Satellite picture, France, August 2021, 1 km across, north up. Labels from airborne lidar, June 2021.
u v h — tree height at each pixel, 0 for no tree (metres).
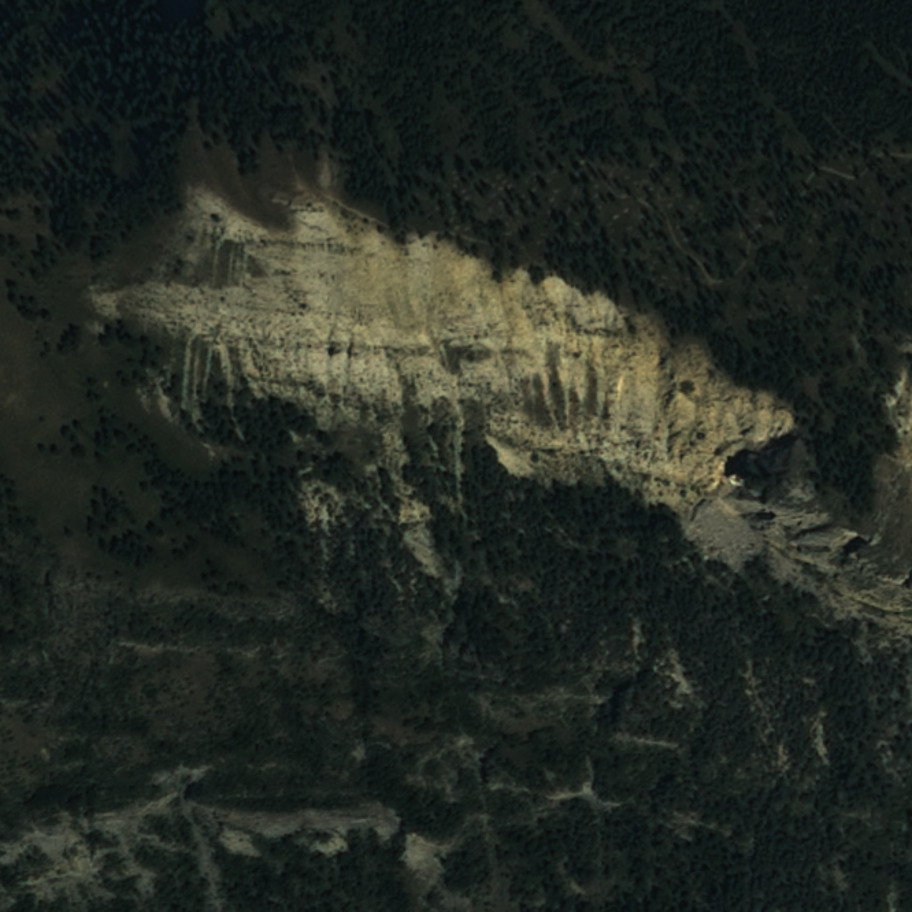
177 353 0
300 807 7
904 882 11
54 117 0
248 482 18
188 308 0
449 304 0
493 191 13
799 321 7
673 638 8
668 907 12
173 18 22
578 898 8
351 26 7
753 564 11
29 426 0
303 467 6
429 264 0
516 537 22
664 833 16
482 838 12
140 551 17
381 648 8
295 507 7
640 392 0
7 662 6
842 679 12
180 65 27
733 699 13
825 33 11
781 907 10
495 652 20
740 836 13
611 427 0
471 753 9
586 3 7
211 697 9
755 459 0
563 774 8
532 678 6
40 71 34
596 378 0
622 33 6
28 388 0
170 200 15
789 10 8
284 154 11
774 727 6
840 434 23
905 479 0
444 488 7
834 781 8
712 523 0
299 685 6
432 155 6
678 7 7
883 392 9
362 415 0
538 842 6
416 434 0
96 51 34
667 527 26
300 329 0
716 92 10
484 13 11
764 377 26
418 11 14
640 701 15
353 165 12
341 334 0
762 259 6
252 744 8
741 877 7
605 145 27
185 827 8
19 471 0
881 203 0
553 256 7
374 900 7
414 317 0
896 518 0
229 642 6
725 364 18
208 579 16
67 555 0
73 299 0
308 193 0
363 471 0
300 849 11
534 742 23
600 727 11
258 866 6
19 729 0
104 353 0
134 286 0
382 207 16
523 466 0
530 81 9
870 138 12
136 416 0
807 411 18
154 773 7
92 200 19
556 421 0
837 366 12
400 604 8
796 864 16
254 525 0
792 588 8
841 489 18
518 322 0
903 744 18
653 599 17
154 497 0
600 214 25
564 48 10
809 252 0
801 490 0
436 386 0
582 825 12
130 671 6
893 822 7
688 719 13
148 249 0
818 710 11
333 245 0
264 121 16
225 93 28
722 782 6
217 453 0
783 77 10
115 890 17
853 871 16
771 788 6
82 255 0
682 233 0
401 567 10
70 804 14
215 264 0
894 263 0
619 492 18
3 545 9
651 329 0
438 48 8
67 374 0
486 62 9
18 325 0
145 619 8
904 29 10
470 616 22
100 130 0
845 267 8
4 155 26
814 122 10
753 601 23
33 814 7
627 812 7
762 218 0
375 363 0
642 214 0
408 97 7
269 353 0
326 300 0
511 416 0
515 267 10
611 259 25
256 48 28
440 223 0
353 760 7
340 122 16
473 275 0
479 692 14
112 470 0
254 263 0
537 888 6
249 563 0
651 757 8
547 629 18
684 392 0
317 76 0
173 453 0
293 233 0
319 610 10
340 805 10
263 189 0
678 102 10
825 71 11
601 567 26
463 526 8
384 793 8
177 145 16
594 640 13
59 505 0
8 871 7
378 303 0
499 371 0
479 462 11
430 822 11
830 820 10
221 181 0
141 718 7
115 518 8
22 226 0
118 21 28
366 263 0
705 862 11
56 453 17
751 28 9
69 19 0
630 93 13
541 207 22
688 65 9
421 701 6
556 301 0
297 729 7
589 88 11
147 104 22
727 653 12
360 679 6
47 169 0
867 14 13
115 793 7
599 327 0
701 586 18
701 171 21
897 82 13
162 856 6
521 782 7
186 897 8
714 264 28
